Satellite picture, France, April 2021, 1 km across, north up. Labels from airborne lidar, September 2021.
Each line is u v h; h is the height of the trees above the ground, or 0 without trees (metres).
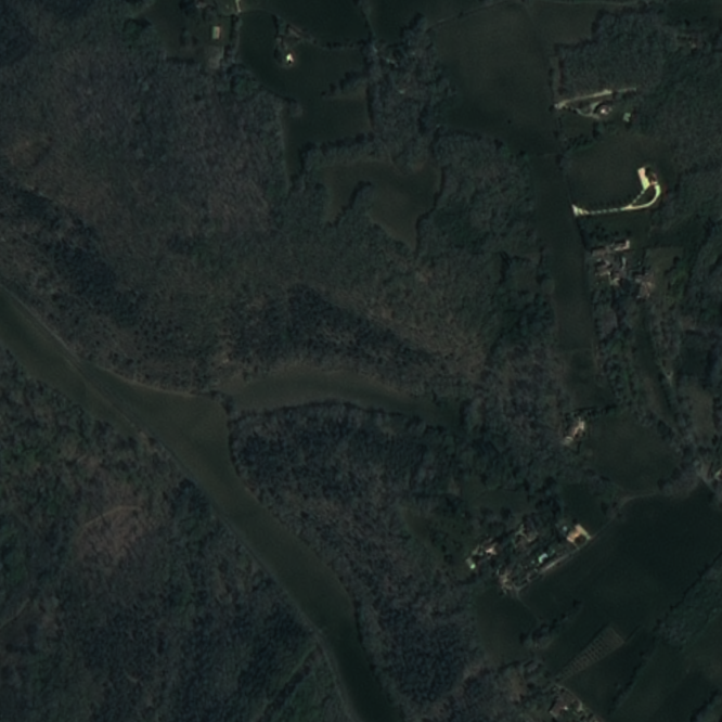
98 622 14
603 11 0
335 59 0
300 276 15
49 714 20
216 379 14
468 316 16
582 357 0
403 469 6
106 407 0
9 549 13
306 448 10
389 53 7
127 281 13
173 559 17
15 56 12
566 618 9
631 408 15
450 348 13
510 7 0
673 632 12
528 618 0
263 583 11
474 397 21
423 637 15
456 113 0
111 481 24
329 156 17
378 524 13
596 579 0
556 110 8
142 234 14
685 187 14
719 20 0
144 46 23
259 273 22
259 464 12
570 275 0
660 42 23
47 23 16
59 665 17
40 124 14
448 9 0
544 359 18
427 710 6
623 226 0
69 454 26
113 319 8
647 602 0
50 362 0
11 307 0
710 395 11
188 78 20
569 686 0
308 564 0
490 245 22
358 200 14
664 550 0
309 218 20
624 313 15
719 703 6
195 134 24
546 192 0
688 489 19
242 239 21
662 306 8
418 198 0
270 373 11
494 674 12
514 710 16
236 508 0
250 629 21
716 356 21
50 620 21
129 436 0
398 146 19
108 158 19
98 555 20
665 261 0
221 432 0
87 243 15
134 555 22
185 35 6
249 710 26
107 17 24
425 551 13
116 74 23
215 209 21
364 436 7
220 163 20
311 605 0
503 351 21
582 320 0
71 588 19
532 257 0
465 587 12
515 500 0
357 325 12
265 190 21
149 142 21
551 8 0
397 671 13
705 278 19
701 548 0
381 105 19
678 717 0
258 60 0
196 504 23
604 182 0
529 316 7
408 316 15
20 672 7
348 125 0
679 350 21
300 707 24
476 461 21
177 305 13
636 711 0
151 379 13
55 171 14
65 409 26
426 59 18
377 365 7
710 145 20
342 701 19
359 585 12
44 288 13
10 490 22
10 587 21
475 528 10
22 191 8
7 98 14
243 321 18
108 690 15
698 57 14
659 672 0
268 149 23
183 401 0
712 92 16
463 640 14
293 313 16
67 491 22
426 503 17
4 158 10
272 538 0
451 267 15
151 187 15
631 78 20
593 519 0
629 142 0
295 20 0
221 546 15
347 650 0
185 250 18
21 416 29
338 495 14
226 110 14
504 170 19
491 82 0
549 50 0
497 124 0
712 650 0
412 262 8
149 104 23
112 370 14
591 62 22
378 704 0
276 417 9
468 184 17
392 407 0
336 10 0
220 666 20
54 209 9
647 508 0
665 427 13
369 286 16
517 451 16
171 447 0
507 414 10
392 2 0
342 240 15
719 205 21
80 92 23
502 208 11
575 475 19
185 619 19
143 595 13
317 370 10
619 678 0
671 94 16
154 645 16
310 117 0
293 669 23
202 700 19
